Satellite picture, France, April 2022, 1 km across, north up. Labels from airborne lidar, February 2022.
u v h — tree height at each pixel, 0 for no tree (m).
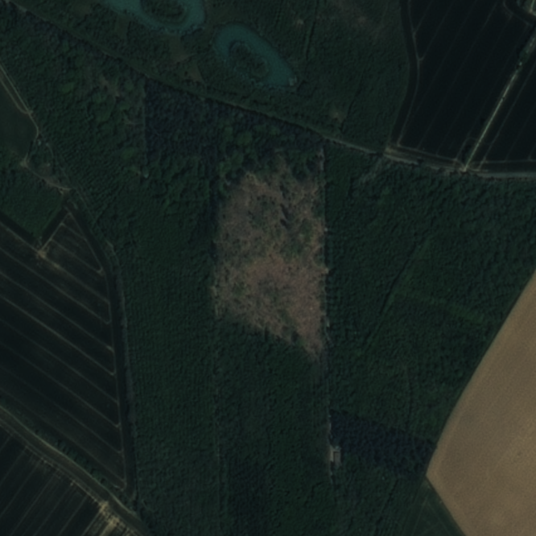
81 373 0
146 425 14
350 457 19
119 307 14
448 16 0
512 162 0
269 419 18
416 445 29
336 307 22
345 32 7
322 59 9
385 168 20
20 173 9
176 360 14
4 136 0
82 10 0
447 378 9
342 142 0
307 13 10
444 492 0
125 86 25
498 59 0
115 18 10
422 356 12
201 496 17
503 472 0
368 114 9
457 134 0
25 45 27
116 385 0
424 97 0
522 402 0
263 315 0
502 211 24
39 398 0
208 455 16
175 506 17
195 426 14
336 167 20
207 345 13
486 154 0
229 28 0
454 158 0
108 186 9
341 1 0
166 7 8
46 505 0
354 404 14
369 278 11
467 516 0
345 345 19
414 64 0
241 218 0
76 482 0
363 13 0
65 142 13
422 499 0
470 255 9
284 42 10
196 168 21
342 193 13
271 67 0
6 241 0
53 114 11
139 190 10
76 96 18
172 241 10
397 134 0
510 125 0
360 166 18
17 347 0
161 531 25
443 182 18
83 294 0
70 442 0
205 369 12
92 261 0
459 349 7
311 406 16
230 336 14
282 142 29
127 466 0
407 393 13
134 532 0
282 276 0
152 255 11
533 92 0
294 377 17
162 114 30
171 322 11
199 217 11
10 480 0
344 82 7
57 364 0
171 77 17
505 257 9
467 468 0
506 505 0
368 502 15
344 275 13
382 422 14
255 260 0
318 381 9
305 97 10
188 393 13
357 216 12
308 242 12
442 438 0
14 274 0
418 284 16
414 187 19
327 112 9
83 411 0
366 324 14
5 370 0
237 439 21
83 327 0
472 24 0
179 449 18
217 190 28
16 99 0
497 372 0
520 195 17
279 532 19
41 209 13
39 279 0
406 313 14
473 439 0
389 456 30
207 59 8
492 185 18
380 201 19
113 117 23
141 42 6
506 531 0
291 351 14
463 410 0
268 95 13
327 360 16
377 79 9
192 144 25
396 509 12
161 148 28
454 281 14
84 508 0
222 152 26
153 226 10
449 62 0
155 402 13
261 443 13
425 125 0
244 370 14
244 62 17
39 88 15
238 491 20
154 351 15
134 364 12
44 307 0
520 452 0
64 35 21
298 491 16
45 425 0
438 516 0
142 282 8
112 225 6
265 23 12
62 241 0
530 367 0
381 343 9
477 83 0
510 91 0
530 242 21
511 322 0
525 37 0
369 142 9
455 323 16
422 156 0
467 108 0
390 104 8
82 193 10
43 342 0
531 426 0
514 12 0
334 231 18
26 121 0
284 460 16
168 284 13
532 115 0
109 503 0
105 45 16
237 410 13
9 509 0
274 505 20
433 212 17
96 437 0
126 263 11
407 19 0
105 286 0
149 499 18
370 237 14
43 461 0
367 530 11
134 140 18
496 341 0
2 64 10
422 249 20
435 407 22
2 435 0
